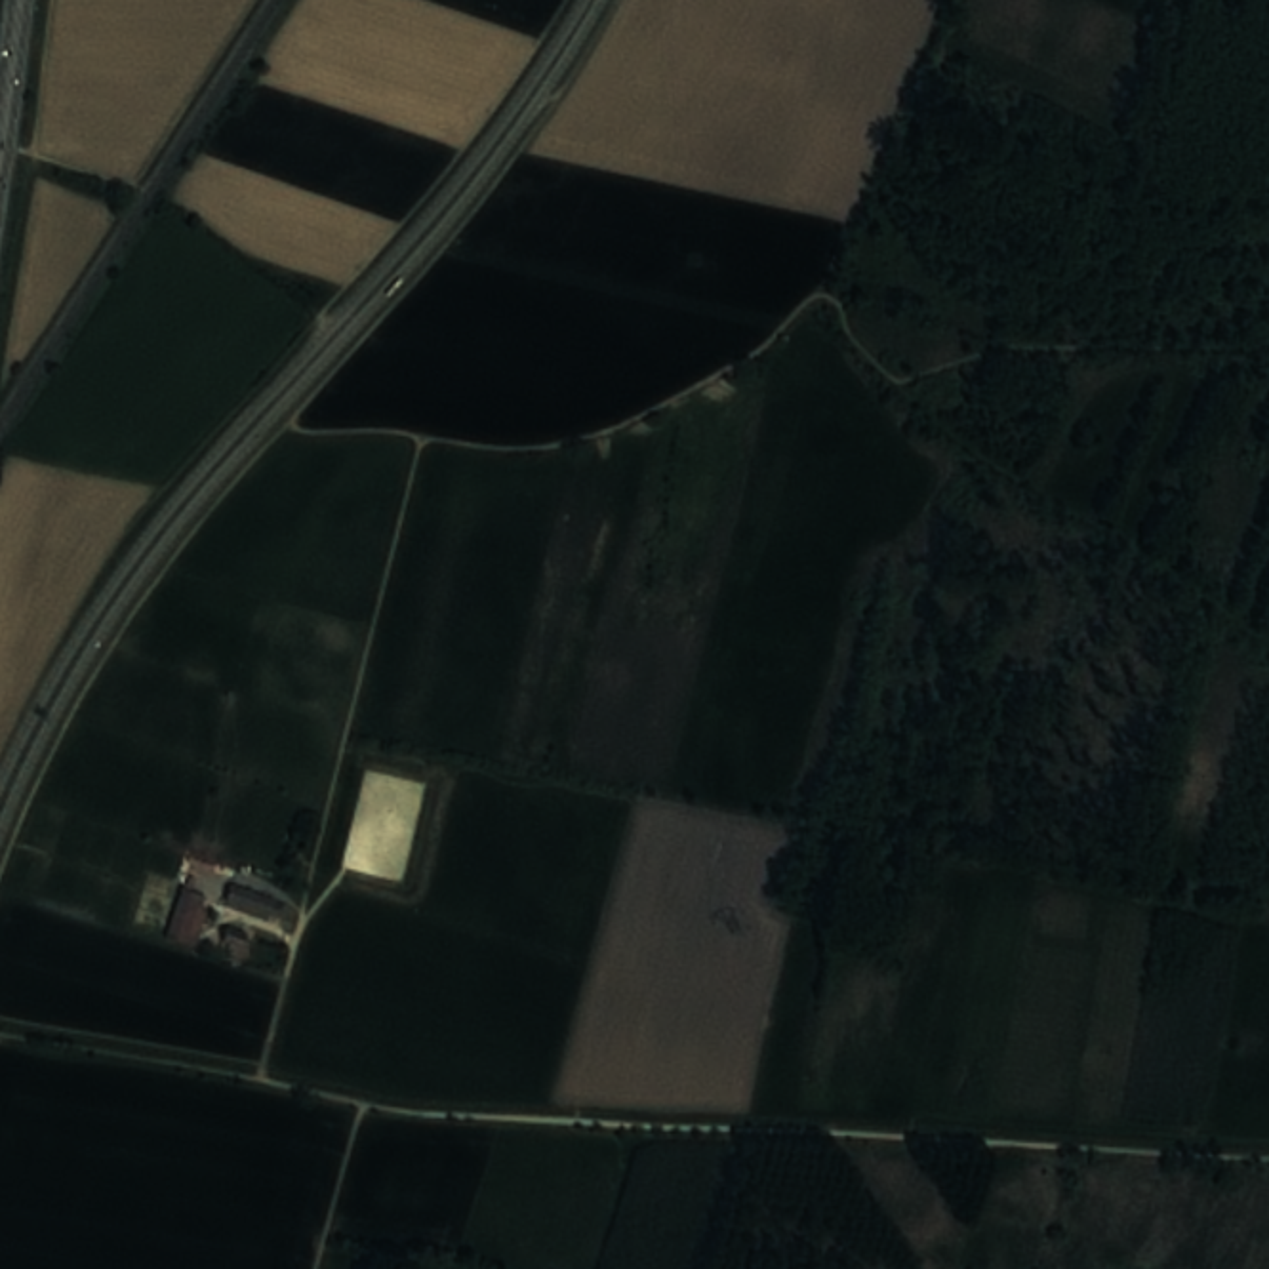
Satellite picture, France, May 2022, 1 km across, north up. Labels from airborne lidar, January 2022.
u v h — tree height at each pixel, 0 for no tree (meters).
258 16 0
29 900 0
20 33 0
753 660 0
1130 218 23
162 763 0
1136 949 0
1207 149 26
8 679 0
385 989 0
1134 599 30
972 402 21
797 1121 0
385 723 0
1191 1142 0
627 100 0
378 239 0
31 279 0
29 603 0
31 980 0
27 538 0
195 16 0
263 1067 0
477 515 0
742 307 0
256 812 0
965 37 0
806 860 23
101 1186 0
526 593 0
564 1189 0
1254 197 22
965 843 37
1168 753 26
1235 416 20
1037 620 12
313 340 0
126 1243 0
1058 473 0
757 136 0
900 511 0
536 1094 0
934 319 19
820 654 0
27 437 0
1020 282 24
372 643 0
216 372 0
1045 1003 0
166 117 0
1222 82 26
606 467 0
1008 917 0
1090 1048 0
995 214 21
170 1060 0
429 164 0
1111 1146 0
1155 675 26
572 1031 0
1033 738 34
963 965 0
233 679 0
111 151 0
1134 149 28
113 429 0
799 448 0
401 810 0
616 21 0
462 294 0
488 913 0
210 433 0
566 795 0
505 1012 0
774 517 0
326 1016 0
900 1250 27
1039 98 9
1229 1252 0
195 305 0
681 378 0
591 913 0
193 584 0
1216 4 19
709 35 0
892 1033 0
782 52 0
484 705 0
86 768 0
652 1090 0
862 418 0
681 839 0
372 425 0
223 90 0
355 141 0
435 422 0
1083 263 19
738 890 0
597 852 0
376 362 0
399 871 0
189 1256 0
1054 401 22
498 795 0
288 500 0
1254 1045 0
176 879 0
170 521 0
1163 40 29
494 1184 0
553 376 0
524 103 0
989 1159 26
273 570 0
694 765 0
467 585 0
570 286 0
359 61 0
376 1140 0
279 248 0
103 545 0
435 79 0
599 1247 0
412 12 0
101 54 0
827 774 18
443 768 0
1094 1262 0
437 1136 0
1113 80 0
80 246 0
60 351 0
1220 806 11
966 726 28
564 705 0
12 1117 0
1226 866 16
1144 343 13
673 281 0
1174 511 19
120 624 0
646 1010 0
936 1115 0
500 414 0
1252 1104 0
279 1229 0
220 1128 0
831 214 0
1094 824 37
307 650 0
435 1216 0
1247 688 13
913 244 22
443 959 0
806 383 0
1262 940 0
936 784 30
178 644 0
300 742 0
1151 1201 0
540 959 0
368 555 0
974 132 37
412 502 0
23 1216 0
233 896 0
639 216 0
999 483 13
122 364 0
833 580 0
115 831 0
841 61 0
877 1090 0
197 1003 0
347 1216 0
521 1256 0
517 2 0
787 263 0
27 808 0
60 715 0
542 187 0
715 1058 0
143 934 0
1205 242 18
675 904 0
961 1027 0
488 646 0
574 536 0
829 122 0
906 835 35
